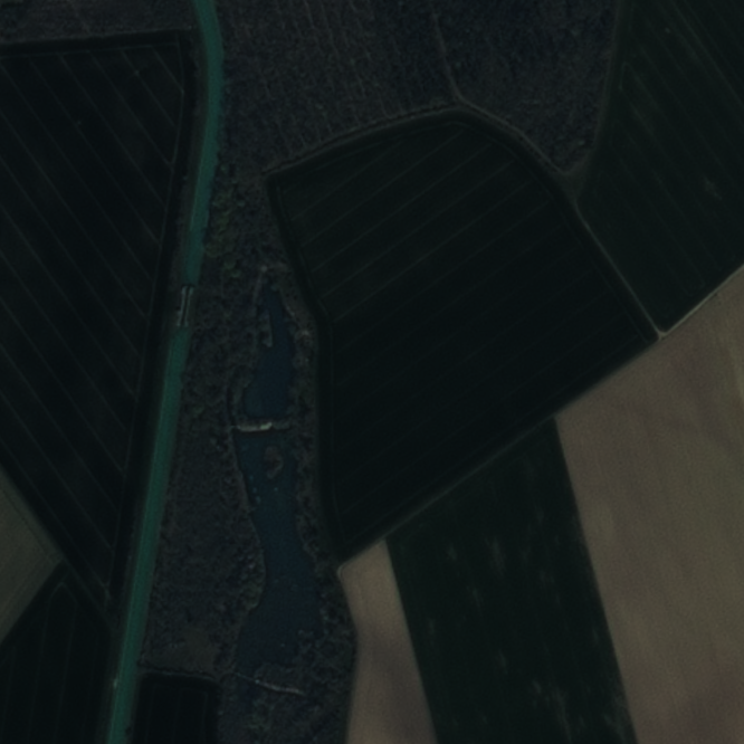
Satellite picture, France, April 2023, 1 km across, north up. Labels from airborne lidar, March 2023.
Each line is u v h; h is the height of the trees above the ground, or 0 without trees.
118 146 0
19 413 0
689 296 0
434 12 18
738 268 0
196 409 16
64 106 0
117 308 0
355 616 0
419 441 0
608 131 0
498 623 0
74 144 0
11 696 0
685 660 0
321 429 0
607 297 0
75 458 0
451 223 0
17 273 0
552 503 0
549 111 12
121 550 0
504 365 0
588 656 0
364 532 0
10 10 7
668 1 0
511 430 0
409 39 12
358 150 0
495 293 0
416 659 0
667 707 0
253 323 18
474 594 0
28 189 0
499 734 0
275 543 0
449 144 0
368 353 0
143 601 0
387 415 0
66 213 0
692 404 0
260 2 8
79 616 0
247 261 13
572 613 0
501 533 0
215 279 8
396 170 0
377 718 0
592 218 0
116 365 0
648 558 0
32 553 0
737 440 0
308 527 7
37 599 0
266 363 0
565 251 0
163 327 0
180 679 0
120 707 0
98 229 0
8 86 0
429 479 0
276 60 14
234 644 6
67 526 0
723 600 0
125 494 0
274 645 0
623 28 0
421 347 0
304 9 10
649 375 0
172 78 0
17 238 0
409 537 0
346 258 0
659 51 0
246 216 12
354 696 0
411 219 0
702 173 0
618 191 0
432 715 0
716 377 0
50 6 13
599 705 0
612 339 0
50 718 0
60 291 0
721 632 0
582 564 0
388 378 0
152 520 0
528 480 0
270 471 13
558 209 0
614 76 0
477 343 0
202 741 0
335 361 0
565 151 16
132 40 0
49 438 0
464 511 0
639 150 0
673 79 0
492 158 0
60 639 0
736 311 0
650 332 0
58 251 0
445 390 0
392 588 0
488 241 0
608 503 0
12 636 0
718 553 0
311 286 0
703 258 0
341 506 0
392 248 0
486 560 0
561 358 0
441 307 0
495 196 0
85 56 0
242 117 25
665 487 0
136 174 0
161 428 0
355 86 17
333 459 0
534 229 0
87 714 0
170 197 0
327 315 0
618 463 0
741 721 0
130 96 0
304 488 23
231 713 6
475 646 0
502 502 0
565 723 0
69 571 0
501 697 0
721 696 0
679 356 0
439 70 22
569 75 16
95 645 0
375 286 0
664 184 0
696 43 0
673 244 0
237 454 0
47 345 0
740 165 0
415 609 0
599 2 12
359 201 0
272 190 0
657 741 0
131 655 0
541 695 0
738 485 0
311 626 0
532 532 0
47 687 0
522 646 0
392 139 0
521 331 0
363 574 0
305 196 0
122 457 0
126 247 0
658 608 0
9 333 0
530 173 0
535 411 0
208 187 0
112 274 0
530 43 19
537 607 0
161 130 0
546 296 0
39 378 0
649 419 0
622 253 0
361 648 0
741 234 0
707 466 0
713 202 0
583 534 0
